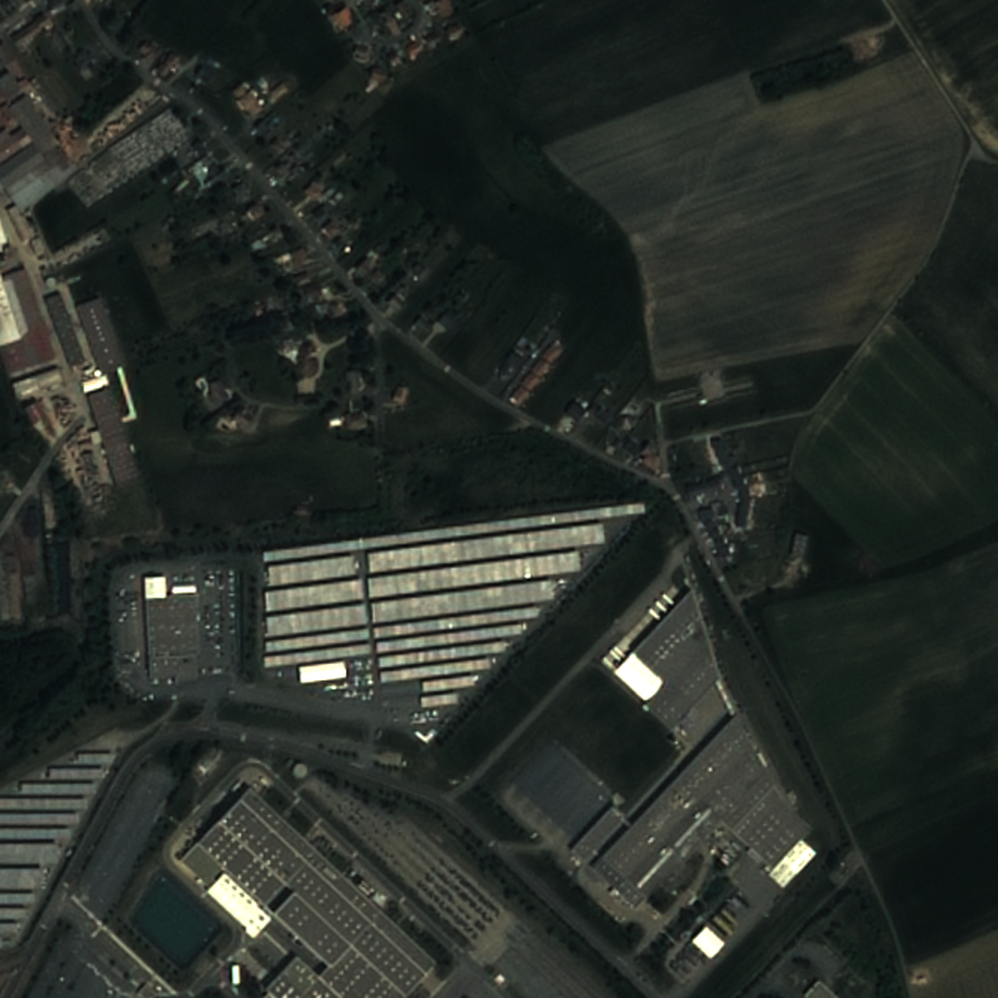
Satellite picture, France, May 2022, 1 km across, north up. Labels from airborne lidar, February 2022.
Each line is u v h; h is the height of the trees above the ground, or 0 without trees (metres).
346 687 0
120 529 0
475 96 0
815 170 0
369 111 0
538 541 0
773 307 0
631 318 0
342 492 0
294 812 0
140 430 0
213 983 0
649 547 0
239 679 0
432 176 0
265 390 0
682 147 0
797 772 0
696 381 0
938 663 0
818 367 0
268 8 0
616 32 0
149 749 0
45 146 0
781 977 0
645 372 0
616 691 0
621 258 0
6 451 7
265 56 0
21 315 0
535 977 0
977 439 0
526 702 0
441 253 0
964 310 0
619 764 0
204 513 0
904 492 0
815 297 0
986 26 0
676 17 0
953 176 0
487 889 0
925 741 0
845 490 0
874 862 0
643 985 0
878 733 0
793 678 0
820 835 0
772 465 0
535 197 0
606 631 0
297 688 0
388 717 0
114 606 0
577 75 0
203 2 0
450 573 0
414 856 0
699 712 0
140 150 0
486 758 0
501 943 0
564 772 0
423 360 0
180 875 0
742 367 0
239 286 0
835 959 0
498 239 0
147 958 0
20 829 0
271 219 0
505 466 0
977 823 0
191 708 0
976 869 0
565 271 0
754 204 0
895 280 0
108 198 0
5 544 0
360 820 0
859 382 0
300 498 0
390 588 0
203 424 11
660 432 0
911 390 0
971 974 0
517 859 0
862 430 0
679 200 0
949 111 0
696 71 0
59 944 0
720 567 0
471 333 0
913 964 0
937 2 0
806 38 0
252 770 0
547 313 0
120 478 0
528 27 0
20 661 11
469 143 0
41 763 0
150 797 0
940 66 0
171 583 0
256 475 0
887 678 0
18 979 0
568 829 0
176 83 0
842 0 0
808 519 0
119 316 0
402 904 0
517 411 0
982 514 0
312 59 0
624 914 0
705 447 0
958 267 0
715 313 0
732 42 0
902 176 0
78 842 0
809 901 0
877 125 0
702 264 0
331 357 0
